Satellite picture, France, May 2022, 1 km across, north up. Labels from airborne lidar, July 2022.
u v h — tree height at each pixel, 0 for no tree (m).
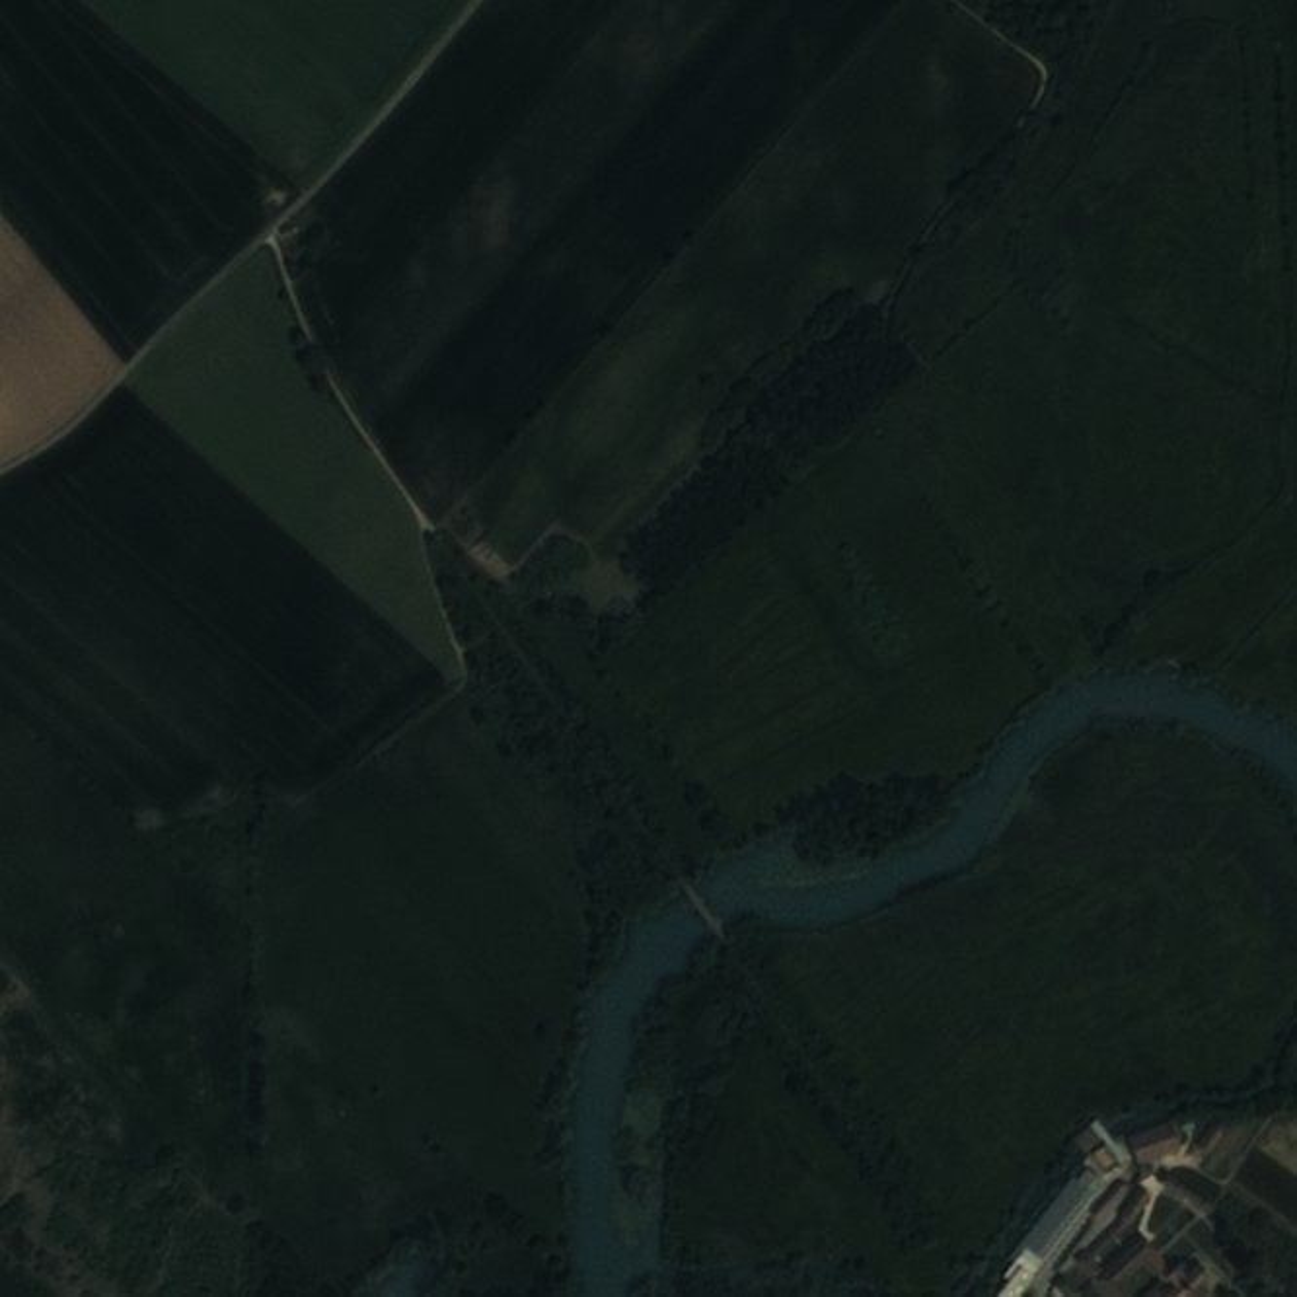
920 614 0
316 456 0
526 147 0
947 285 0
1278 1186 0
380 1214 0
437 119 0
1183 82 0
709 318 0
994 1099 0
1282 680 0
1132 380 0
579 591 0
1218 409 0
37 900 0
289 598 0
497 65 0
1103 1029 0
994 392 0
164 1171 6
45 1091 0
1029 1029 0
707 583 0
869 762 0
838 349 27
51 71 0
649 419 0
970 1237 0
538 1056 0
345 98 0
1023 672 0
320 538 0
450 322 0
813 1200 0
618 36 0
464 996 0
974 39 0
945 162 0
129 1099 0
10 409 0
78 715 0
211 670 0
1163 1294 0
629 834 5
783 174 0
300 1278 28
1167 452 0
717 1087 12
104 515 0
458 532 7
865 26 0
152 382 0
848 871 0
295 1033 0
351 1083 0
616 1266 0
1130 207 0
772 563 0
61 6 0
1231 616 0
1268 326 0
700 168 0
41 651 0
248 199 0
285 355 0
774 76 0
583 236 0
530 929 0
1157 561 0
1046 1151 0
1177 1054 0
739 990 9
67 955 0
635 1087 11
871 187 0
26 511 0
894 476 0
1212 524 0
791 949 0
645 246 0
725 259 0
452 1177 0
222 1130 0
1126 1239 0
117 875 0
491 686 10
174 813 0
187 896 0
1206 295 0
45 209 0
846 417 29
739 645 0
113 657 0
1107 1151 0
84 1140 0
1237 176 0
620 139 0
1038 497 0
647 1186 14
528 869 0
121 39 0
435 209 0
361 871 0
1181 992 0
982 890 0
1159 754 0
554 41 0
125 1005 0
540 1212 0
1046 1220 0
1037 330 0
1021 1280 0
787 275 0
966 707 0
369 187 0
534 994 0
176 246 0
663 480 0
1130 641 10
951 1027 0
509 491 0
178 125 0
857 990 0
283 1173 0
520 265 0
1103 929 0
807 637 0
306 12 0
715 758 0
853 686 0
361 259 0
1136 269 0
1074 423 0
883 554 0
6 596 0
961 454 0
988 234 0
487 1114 0
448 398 0
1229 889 0
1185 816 0
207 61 0
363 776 0
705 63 0
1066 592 0
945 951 0
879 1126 8
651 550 23
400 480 0
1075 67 14
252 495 0
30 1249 7
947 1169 0
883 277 0
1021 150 17
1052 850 0
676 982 16
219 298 0
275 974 0
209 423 0
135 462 0
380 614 0
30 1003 0
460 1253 11
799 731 0
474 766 0
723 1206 0
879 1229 0
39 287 0
